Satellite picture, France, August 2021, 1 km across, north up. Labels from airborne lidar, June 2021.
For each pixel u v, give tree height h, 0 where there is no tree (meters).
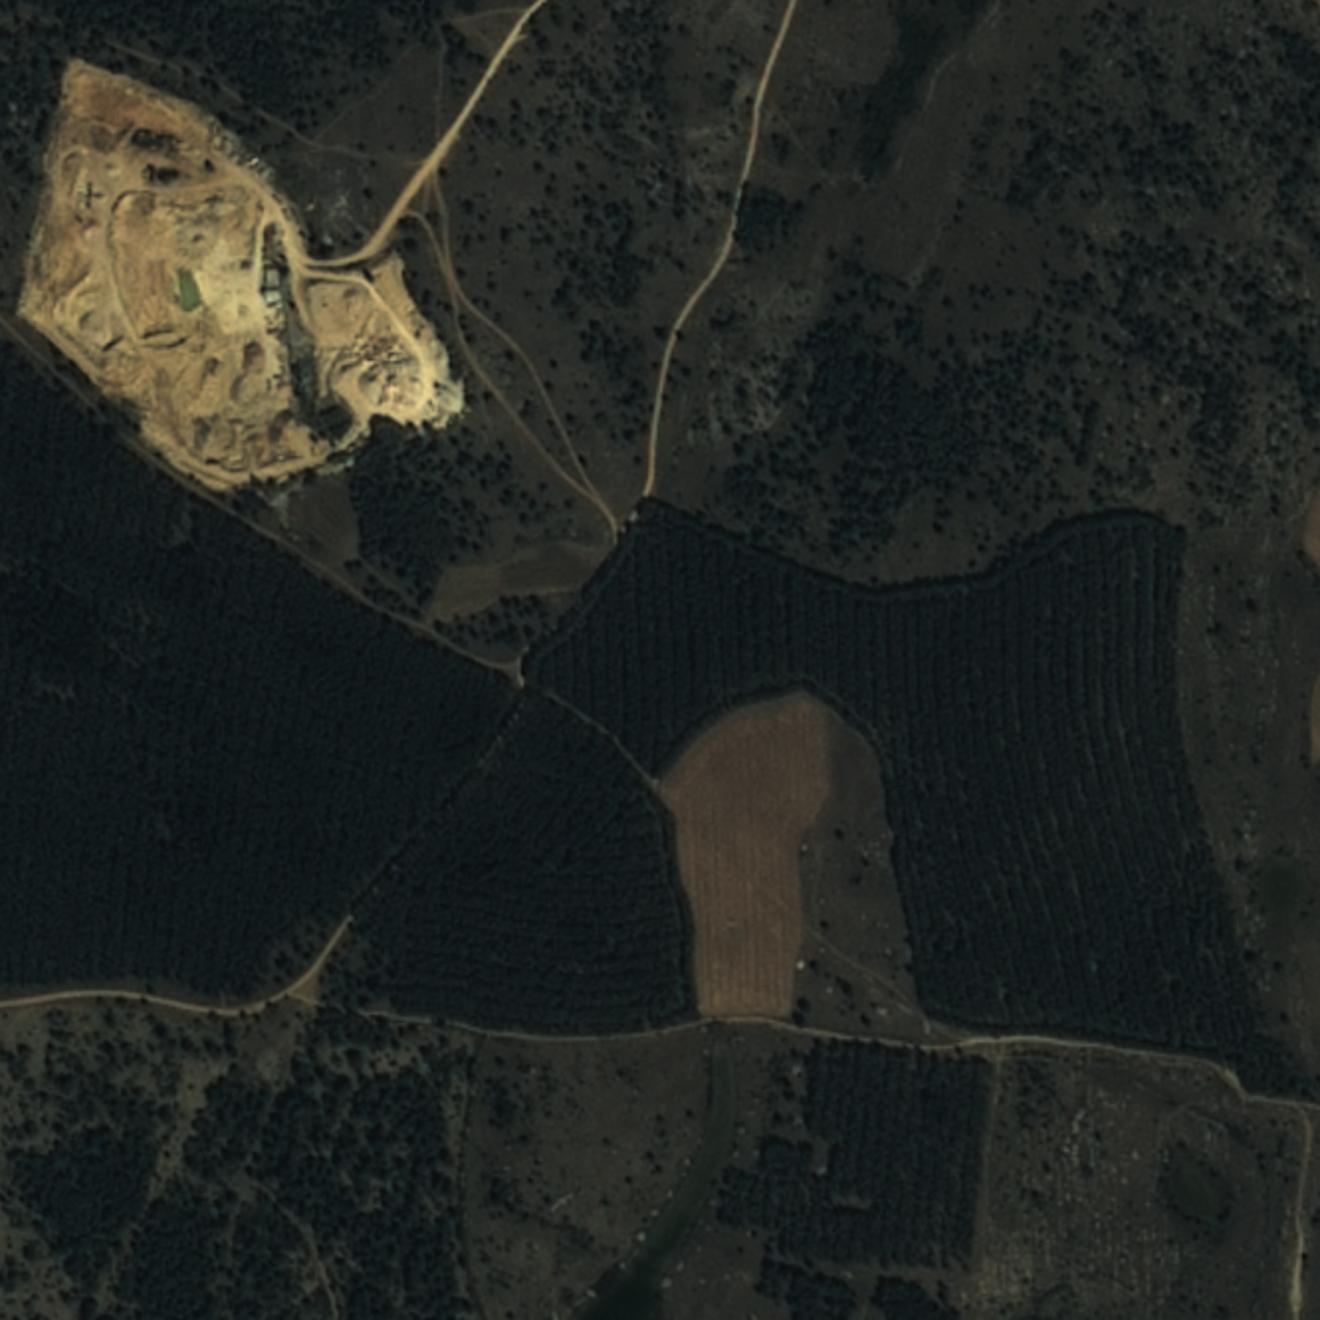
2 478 16
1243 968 8
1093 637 14
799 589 12
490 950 13
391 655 14
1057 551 12
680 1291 0
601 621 13
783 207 11
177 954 13
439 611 0
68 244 0
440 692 13
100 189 0
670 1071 0
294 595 13
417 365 0
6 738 15
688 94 0
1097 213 0
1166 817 11
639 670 13
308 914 13
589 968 11
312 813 16
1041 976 14
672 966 10
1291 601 0
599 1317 0
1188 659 0
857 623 11
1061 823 12
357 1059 10
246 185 0
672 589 14
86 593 12
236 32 7
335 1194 6
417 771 12
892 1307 15
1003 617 14
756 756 0
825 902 0
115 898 14
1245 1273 0
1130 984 13
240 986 11
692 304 0
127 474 14
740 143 0
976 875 12
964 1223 11
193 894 14
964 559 0
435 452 9
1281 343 11
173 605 16
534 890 13
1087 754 10
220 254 0
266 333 0
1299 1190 0
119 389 0
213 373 0
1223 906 12
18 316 0
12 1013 0
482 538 8
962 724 13
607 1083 0
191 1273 11
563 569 0
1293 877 0
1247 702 0
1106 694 11
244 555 14
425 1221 8
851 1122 15
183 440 0
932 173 0
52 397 12
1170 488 0
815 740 0
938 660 13
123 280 0
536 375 0
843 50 0
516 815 12
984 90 0
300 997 0
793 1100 8
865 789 0
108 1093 6
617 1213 0
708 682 13
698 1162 0
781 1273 11
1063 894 14
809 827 0
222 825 19
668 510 11
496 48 0
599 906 11
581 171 10
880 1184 14
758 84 0
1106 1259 0
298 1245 7
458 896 14
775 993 0
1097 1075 0
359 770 13
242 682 14
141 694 15
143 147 0
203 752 13
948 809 12
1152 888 12
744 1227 10
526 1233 0
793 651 11
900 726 11
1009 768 11
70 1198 14
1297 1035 0
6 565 12
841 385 12
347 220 0
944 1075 14
